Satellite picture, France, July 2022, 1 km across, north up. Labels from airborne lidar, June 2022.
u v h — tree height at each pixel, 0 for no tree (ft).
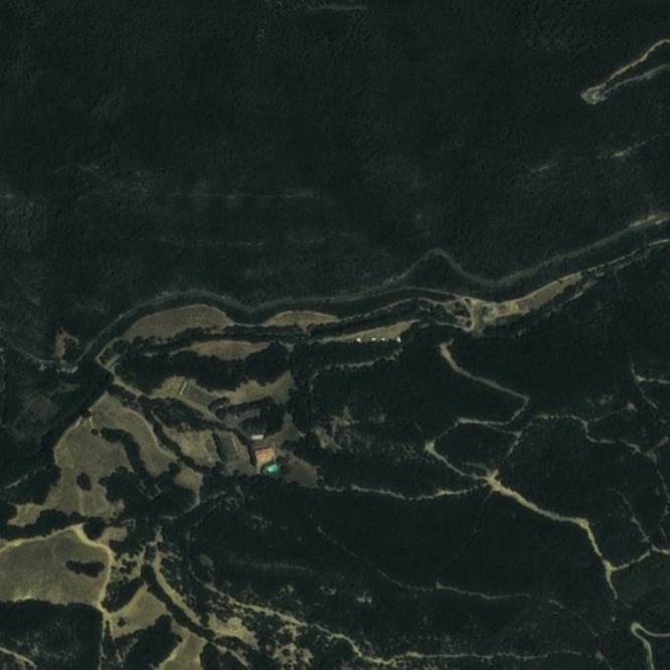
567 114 28
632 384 19
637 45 31
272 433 40
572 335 40
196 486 0
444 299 39
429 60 43
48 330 21
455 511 21
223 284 25
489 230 18
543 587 42
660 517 23
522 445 22
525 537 18
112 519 21
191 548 26
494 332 49
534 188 39
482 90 30
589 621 50
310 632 23
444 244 24
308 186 34
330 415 23
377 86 21
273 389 0
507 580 22
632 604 19
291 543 24
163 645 31
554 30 52
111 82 20
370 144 28
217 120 36
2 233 39
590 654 32
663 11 32
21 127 31
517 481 29
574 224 26
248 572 19
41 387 25
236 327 28
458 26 25
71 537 0
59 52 29
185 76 23
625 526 45
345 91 25
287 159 20
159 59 23
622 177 31
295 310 25
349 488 28
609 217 24
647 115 39
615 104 49
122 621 24
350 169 32
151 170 26
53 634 30
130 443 46
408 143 18
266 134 20
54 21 24
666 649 57
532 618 26
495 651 30
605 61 20
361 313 26
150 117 26
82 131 20
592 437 21
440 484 21
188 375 27
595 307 21
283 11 52
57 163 35
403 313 27
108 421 0
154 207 28
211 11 43
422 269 25
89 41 26
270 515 31
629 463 23
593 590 33
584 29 43
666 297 36
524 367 28
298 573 19
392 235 27
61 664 23
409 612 24
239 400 0
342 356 25
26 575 0
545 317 33
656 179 32
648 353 18
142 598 0
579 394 18
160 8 41
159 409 21
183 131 21
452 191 22
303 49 57
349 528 26
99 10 38
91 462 0
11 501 24
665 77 40
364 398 25
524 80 33
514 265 24
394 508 25
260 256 19
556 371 18
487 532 20
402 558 24
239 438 36
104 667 20
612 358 20
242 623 26
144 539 32
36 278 22
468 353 41
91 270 24
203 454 0
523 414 20
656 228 42
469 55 24
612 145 23
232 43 42
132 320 29
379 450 21
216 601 23
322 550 23
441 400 26
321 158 30
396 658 22
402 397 43
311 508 35
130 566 33
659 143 19
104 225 25
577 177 26
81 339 22
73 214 42
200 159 20
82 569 23
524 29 45
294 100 23
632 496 25
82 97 19
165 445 40
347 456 38
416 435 30
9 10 21
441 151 28
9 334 21
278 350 26
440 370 28
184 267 21
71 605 26
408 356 31
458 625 22
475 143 19
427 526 26
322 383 23
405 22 29
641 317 29
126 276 34
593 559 26
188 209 21
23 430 22
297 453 40
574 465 22
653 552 40
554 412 19
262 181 19
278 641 29
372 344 34
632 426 22
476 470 18
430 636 25
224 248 23
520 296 27
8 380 36
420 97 26
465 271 31
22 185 19
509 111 23
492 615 27
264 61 40
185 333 37
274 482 40
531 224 18
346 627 25
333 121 30
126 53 33
